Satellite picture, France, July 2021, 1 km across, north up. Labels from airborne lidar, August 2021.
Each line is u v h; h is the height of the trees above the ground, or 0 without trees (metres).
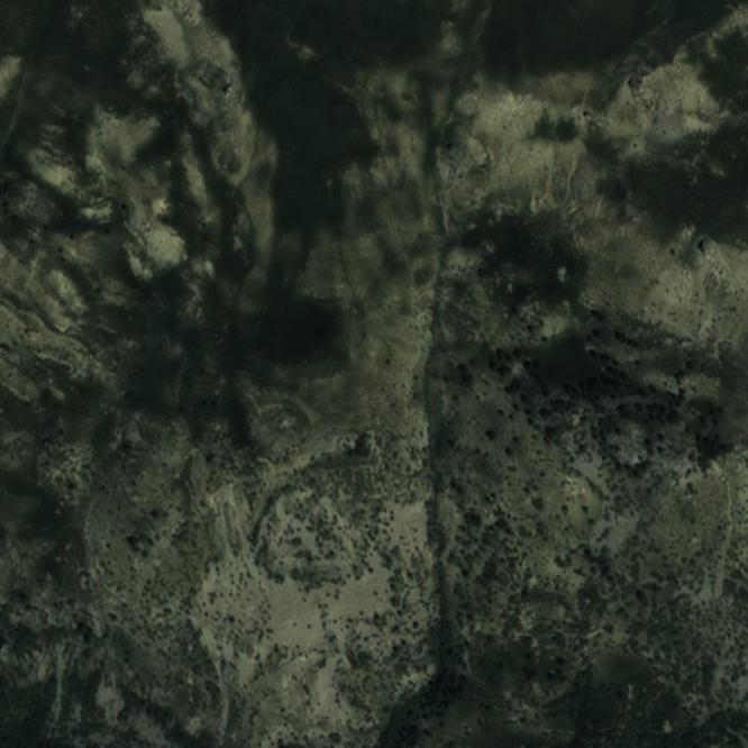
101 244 0
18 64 0
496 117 0
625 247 0
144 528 0
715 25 0
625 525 0
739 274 0
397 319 0
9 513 0
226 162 0
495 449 0
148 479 0
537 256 0
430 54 0
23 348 0
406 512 0
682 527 0
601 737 9
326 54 0
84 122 0
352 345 0
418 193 0
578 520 0
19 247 0
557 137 0
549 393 11
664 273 0
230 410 0
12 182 0
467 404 0
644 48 0
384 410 0
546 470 0
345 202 0
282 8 0
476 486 0
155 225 0
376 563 0
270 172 0
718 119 0
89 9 0
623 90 0
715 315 0
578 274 0
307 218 0
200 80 0
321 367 0
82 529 0
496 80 0
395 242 0
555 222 0
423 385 0
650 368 0
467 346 0
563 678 10
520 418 0
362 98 0
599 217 0
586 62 0
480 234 0
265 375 0
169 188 0
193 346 0
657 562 0
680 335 0
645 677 0
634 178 0
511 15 0
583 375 0
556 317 0
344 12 0
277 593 0
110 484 0
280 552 0
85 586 0
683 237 0
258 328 0
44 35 0
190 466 0
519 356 13
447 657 13
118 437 0
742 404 0
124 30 0
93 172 0
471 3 0
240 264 0
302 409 0
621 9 0
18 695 6
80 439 0
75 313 0
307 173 0
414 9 0
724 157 0
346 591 0
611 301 0
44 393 0
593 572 8
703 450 11
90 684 9
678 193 0
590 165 0
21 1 0
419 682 0
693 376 0
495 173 0
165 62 0
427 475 0
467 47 0
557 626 0
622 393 13
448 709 8
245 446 0
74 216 0
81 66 0
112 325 0
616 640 0
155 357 0
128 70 0
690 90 0
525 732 0
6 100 0
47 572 0
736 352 0
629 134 0
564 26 0
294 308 0
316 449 0
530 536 7
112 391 0
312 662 0
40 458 0
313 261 0
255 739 0
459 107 0
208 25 0
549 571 0
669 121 0
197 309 0
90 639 13
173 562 0
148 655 0
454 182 0
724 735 6
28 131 0
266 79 0
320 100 0
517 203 0
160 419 0
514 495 0
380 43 0
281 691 0
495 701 0
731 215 0
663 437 12
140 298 0
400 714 8
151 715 8
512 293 0
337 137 0
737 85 0
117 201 0
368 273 0
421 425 0
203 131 0
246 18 0
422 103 0
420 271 0
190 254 0
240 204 0
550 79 0
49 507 0
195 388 0
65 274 0
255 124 0
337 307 0
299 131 0
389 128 0
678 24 0
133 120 0
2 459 0
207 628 0
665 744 9
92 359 0
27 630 6
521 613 0
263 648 0
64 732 6
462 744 0
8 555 0
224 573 0
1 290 0
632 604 0
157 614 0
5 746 7
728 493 0
